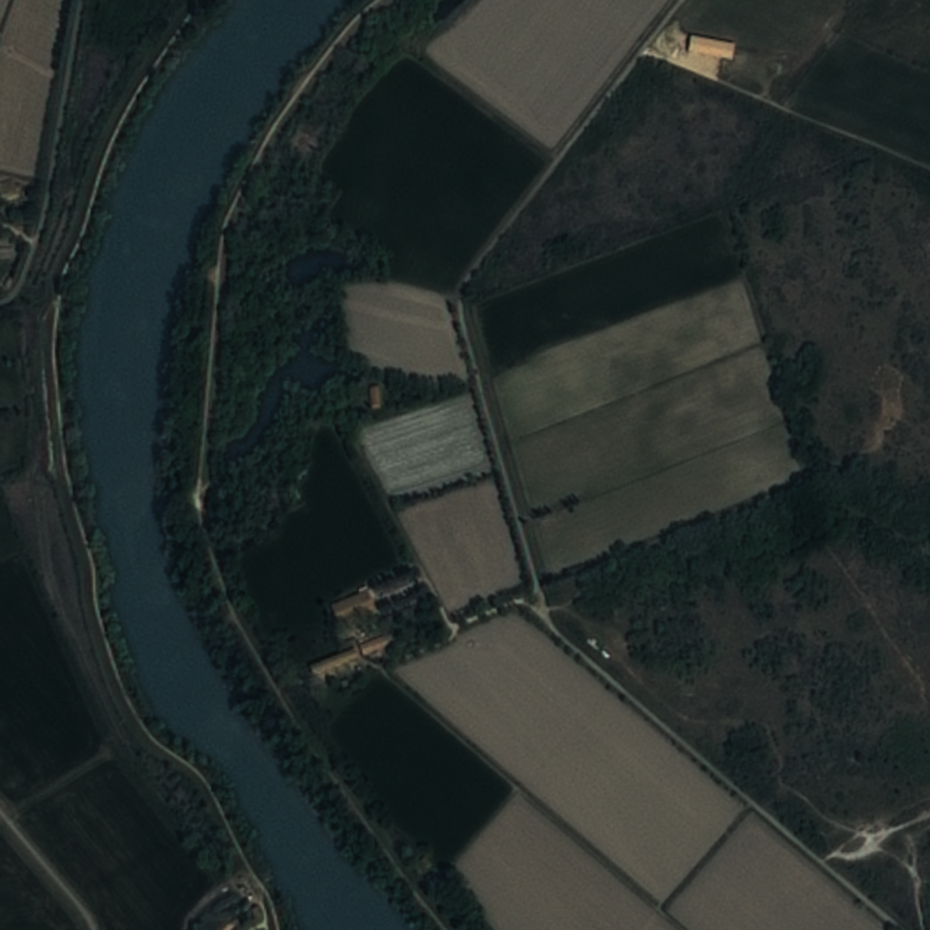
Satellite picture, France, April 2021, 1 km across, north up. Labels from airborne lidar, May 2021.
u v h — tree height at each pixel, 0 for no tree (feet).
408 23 52
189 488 56
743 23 0
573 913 0
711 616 0
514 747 0
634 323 0
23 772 0
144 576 0
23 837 0
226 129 0
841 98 0
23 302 22
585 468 0
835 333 0
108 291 0
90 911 0
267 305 71
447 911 34
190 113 0
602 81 0
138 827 0
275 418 25
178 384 82
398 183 0
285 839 0
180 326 56
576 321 0
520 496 0
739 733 26
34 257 0
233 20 0
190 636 0
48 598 20
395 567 0
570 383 0
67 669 0
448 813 0
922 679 0
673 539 57
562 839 0
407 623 31
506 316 0
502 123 0
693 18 0
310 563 0
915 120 0
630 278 0
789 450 0
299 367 0
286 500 38
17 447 0
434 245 0
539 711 0
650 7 0
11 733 0
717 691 0
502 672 0
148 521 0
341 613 0
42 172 24
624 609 30
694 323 0
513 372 0
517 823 0
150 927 0
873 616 0
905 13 0
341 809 88
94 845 0
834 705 25
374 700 0
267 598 0
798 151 0
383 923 0
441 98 0
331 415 46
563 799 0
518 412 0
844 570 0
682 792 0
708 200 0
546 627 29
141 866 0
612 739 0
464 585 0
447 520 0
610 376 0
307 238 33
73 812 0
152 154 0
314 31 0
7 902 0
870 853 0
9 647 0
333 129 37
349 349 32
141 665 0
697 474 0
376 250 60
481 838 0
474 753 0
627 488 0
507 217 0
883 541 64
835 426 0
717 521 56
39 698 0
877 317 0
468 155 0
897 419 0
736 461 0
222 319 56
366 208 0
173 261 0
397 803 0
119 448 0
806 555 30
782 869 0
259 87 0
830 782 0
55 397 0
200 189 0
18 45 0
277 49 0
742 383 0
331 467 0
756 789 18
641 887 0
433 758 0
